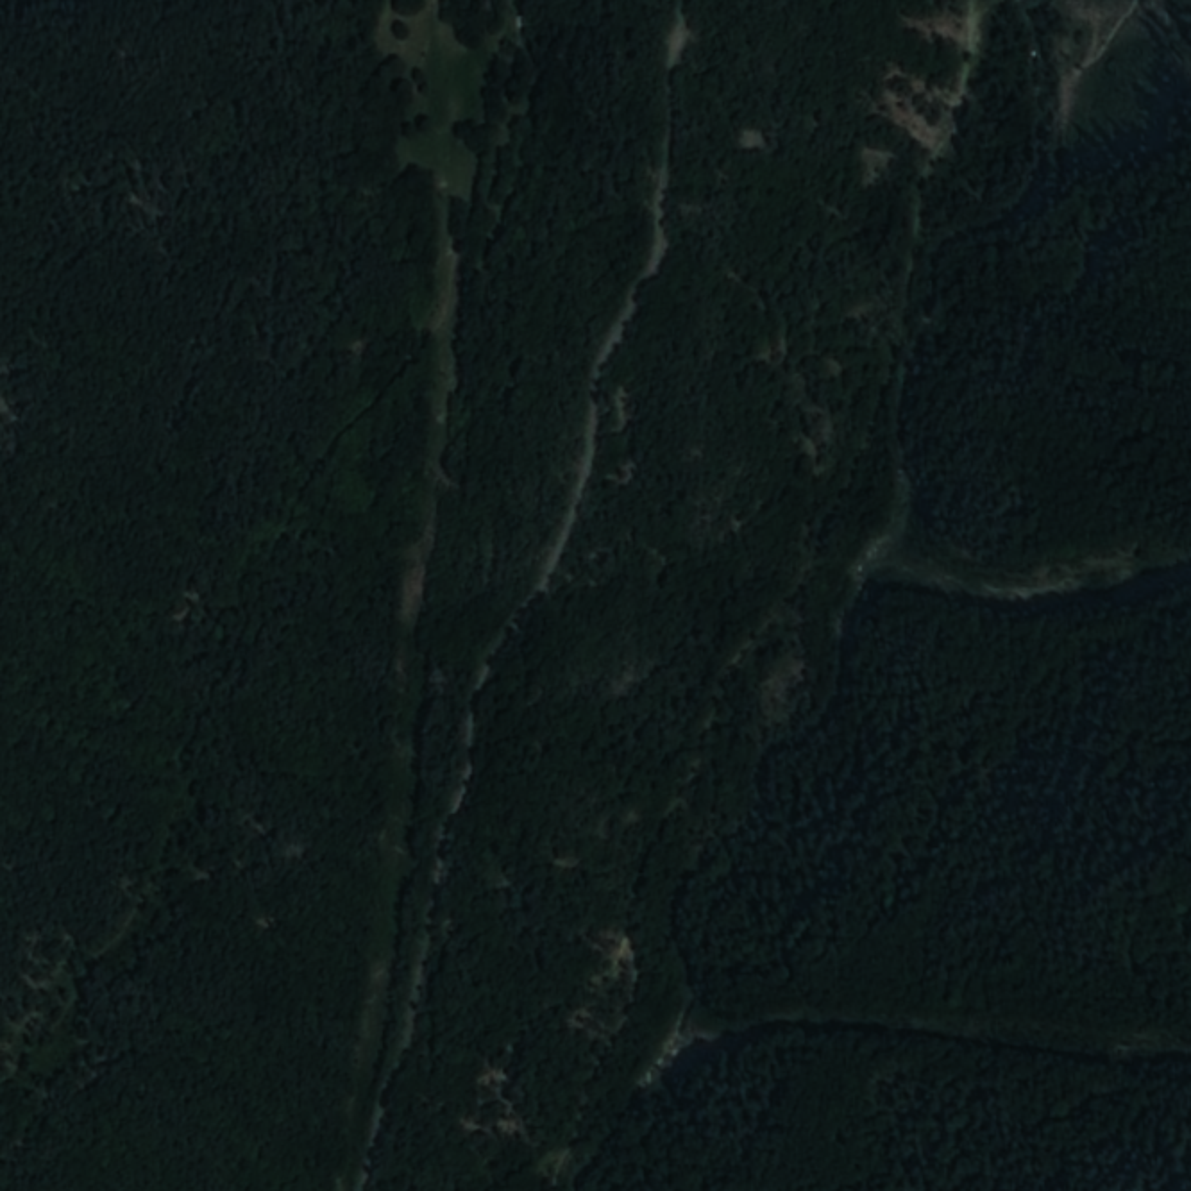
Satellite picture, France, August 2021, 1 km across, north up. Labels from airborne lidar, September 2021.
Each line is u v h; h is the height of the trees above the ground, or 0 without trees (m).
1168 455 25
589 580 24
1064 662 24
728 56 29
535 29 17
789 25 19
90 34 24
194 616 13
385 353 16
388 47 0
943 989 21
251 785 35
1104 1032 15
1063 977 20
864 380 7
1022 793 26
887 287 24
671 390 23
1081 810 27
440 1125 31
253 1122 26
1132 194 28
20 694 17
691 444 18
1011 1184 19
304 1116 26
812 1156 25
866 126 25
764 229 26
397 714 32
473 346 21
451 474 22
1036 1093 20
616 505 27
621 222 19
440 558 13
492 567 7
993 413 21
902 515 0
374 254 30
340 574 21
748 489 18
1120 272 31
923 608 17
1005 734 21
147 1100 30
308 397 21
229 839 30
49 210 25
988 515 10
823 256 32
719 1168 22
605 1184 20
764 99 27
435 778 36
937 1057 18
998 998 22
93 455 22
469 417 9
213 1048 28
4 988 29
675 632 19
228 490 31
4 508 23
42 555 19
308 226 27
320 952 22
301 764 28
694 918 29
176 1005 30
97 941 28
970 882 15
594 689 21
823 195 12
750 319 32
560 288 27
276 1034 31
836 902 25
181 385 30
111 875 28
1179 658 25
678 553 22
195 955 28
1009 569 18
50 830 23
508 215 16
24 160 23
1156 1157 22
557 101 25
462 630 27
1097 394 16
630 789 23
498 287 19
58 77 21
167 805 25
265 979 30
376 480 23
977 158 11
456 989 31
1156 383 19
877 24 25
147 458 30
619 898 21
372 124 20
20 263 23
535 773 20
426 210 20
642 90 22
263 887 28
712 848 28
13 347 22
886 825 26
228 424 23
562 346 24
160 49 27
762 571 22
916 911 28
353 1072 18
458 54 0
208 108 27
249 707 26
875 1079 27
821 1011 19
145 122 25
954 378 27
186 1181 19
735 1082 23
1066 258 23
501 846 25
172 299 27
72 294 24
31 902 31
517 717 26
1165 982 29
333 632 32
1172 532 6
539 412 19
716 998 22
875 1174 19
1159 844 19
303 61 29
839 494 9
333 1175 30
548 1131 12
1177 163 29
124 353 22
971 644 19
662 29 15
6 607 21
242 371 27
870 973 28
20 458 19
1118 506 12
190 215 11
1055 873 24
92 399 23
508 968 30
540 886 25
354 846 22
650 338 22
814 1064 27
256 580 29
